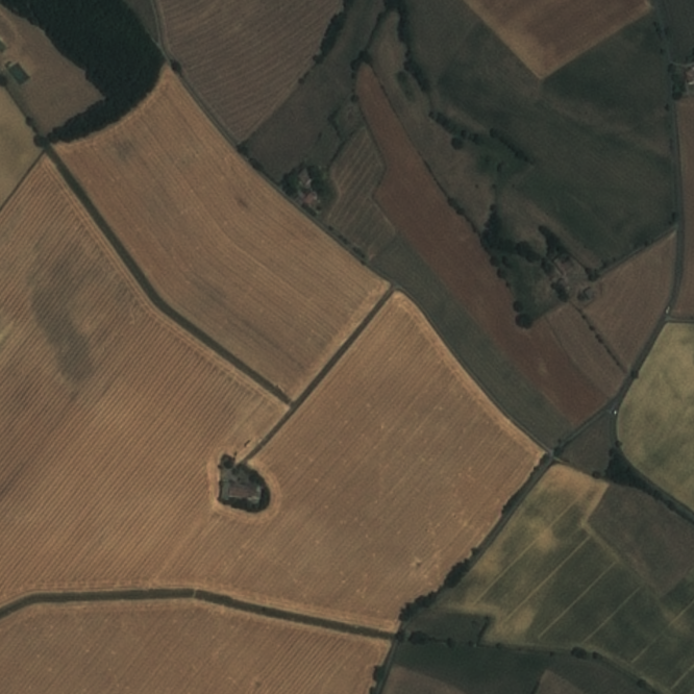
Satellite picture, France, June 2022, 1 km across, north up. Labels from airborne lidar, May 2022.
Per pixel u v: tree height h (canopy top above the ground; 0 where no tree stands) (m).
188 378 0
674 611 0
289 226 0
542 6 0
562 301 10
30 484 0
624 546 0
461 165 0
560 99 0
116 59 17
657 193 0
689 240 0
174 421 0
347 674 0
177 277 0
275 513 0
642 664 0
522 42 0
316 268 0
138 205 0
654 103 0
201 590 0
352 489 0
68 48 12
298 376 0
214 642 0
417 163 0
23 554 0
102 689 0
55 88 0
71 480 0
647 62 0
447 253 0
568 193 0
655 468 0
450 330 0
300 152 0
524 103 0
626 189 0
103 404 0
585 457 0
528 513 0
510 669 0
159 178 0
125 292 0
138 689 0
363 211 0
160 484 0
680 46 0
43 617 0
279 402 0
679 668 0
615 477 13
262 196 0
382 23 8
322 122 0
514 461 0
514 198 0
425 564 0
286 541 0
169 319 0
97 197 0
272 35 0
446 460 0
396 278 0
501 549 0
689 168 0
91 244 0
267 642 0
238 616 0
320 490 0
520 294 0
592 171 0
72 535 0
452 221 0
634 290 0
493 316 0
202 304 0
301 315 0
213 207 0
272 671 0
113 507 0
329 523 0
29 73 0
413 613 17
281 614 0
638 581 0
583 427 0
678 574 0
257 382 0
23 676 0
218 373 0
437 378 0
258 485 7
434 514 0
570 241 0
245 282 0
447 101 0
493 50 0
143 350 0
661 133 0
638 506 0
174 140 0
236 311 0
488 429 0
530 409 0
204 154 0
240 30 0
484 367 0
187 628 0
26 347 0
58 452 0
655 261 0
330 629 0
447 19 0
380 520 0
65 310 0
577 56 0
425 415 0
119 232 0
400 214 0
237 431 0
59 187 0
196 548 0
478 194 0
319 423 0
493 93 0
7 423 0
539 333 0
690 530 0
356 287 0
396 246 0
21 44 0
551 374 0
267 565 0
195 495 0
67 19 20
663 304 0
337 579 0
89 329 0
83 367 0
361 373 0
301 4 0
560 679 0
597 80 0
